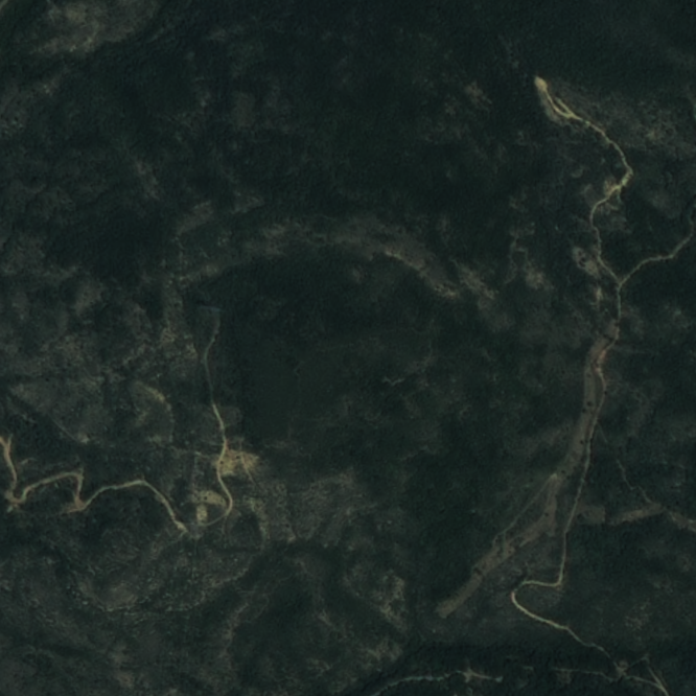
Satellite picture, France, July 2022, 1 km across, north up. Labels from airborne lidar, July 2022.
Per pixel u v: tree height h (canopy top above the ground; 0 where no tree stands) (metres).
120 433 6
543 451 7
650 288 7
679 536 6
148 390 0
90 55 8
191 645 6
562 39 7
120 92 11
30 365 0
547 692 10
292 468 0
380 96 6
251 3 6
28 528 7
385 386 8
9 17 9
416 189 8
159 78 6
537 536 0
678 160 6
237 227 6
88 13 6
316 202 6
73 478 0
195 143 7
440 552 7
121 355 0
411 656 11
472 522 7
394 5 6
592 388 0
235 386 7
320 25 6
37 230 6
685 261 7
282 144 6
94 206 7
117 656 0
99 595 0
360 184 8
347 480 0
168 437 0
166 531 0
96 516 8
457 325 6
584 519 7
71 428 0
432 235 7
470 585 0
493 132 6
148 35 7
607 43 8
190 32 6
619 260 6
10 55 8
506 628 0
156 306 8
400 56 6
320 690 8
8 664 0
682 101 8
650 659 7
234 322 6
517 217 5
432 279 0
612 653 11
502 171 8
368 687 14
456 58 7
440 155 6
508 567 0
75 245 6
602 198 0
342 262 6
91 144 6
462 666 6
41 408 0
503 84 6
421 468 9
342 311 6
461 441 10
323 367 0
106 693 0
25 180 7
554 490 0
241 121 0
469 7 6
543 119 5
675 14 7
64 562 8
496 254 5
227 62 5
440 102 7
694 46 8
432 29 6
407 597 6
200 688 7
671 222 7
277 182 8
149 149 5
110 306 6
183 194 6
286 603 7
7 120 8
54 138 6
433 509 8
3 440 0
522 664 11
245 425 6
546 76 6
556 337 0
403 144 5
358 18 7
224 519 0
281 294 7
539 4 7
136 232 6
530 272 0
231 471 0
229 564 0
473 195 7
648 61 8
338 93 6
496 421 6
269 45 6
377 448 7
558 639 7
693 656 10
